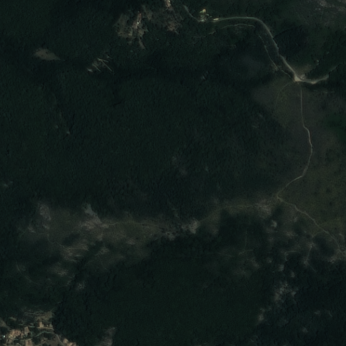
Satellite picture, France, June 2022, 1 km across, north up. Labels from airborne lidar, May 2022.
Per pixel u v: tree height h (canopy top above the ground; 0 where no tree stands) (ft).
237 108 46
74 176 47
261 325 38
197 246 37
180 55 41
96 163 48
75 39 34
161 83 59
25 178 34
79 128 62
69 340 39
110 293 59
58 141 65
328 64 57
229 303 59
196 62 49
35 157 41
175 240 35
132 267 42
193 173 28
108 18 64
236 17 0
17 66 26
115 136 55
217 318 58
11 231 20
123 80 72
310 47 48
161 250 47
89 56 38
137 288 52
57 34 30
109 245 21
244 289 42
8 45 50
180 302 47
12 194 30
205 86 57
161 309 47
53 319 24
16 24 51
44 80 36
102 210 22
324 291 66
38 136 52
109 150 50
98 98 56
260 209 0
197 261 40
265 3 31
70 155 68
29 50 54
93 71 27
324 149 0
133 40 23
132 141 55
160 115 45
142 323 55
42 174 55
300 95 0
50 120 70
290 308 47
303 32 45
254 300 42
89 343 40
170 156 30
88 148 54
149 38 48
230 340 49
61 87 37
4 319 47
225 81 44
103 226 0
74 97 41
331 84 58
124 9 43
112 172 33
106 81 71
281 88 0
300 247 0
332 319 24
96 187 45
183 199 22
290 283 32
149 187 34
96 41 51
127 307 37
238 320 50
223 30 38
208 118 74
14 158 48
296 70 0
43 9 50
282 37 58
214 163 20
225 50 38
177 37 28
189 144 21
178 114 61
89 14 51
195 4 40
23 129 47
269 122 21
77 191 34
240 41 39
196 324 55
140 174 43
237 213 0
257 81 21
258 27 31
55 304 30
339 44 33
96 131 51
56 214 0
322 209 0
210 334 54
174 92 69
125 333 64
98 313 52
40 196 30
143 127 40
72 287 37
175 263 51
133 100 42
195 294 48
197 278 60
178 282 53
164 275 47
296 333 33
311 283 47
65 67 60
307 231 0
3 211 50
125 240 0
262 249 33
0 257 28
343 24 0
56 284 27
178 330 50
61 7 73
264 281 47
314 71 35
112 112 73
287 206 0
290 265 57
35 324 41
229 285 51
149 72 70
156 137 53
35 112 49
